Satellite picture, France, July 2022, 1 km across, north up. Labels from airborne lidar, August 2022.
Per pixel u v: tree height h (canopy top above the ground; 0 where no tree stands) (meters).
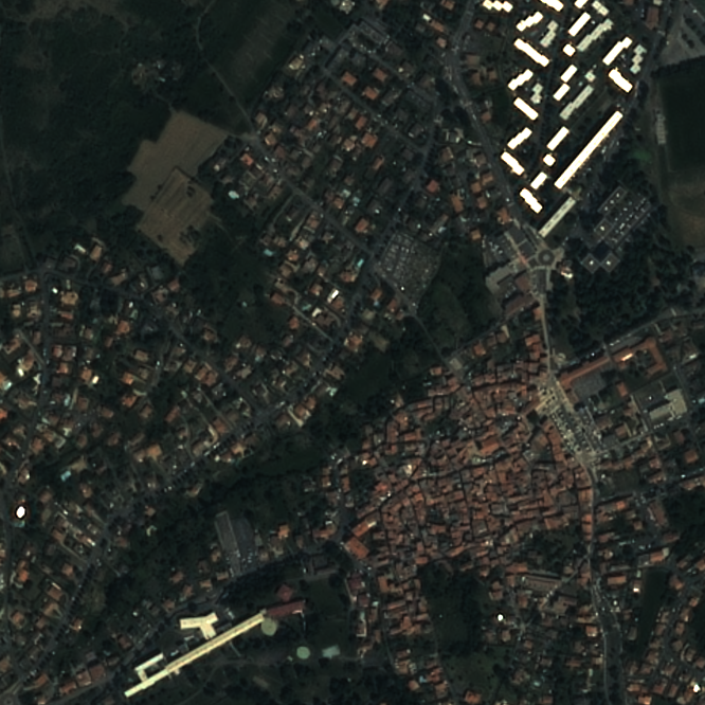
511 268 0
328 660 10
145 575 0
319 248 11
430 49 8
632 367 8
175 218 0
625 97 6
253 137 0
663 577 0
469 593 10
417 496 0
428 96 0
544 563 7
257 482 7
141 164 0
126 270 6
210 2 0
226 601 17
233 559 0
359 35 9
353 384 0
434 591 9
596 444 0
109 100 8
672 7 7
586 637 5
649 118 0
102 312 10
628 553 16
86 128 8
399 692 16
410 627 0
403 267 0
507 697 0
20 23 7
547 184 10
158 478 12
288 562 10
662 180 0
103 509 6
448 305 0
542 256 0
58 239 7
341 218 0
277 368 8
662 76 9
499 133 0
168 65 6
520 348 12
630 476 0
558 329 17
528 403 0
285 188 0
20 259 0
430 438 0
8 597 7
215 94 0
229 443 9
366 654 0
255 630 0
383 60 9
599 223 0
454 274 0
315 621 19
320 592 0
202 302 11
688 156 0
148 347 6
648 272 20
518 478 0
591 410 0
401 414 0
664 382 0
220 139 0
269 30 0
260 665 0
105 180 7
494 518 0
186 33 9
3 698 0
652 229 20
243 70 0
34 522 10
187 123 0
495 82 9
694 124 0
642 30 0
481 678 0
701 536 7
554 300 17
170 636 0
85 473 9
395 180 5
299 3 10
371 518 0
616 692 7
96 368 8
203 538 9
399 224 8
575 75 11
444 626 0
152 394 7
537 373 0
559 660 11
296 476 8
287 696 14
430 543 0
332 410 10
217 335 7
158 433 7
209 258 6
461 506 0
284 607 0
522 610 6
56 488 12
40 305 0
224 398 6
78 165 6
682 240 0
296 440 0
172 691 0
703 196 0
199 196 0
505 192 0
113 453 7
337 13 13
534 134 0
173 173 0
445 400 0
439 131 7
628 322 15
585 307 18
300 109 5
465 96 0
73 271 12
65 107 7
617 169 15
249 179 0
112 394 7
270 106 15
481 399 0
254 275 0
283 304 7
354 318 7
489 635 0
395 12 6
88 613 0
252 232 8
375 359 0
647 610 0
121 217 10
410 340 8
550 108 17
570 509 0
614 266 14
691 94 0
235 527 0
